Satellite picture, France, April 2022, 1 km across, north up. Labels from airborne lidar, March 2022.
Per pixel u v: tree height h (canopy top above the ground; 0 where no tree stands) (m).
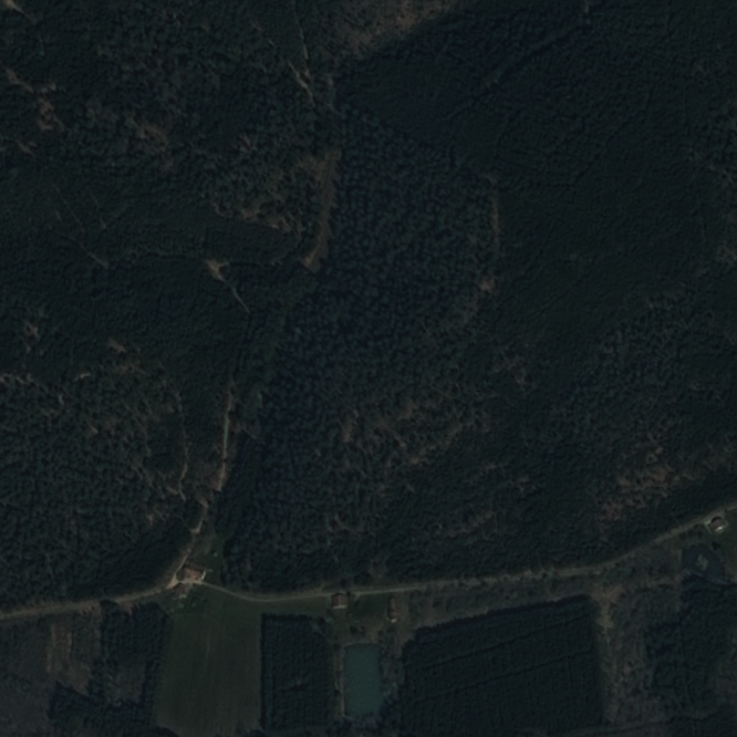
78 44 20
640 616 16
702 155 22
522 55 22
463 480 8
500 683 20
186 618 0
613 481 10
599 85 20
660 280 12
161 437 11
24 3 23
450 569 18
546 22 25
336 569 15
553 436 15
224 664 0
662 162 19
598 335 11
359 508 13
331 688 27
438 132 12
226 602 0
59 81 20
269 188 31
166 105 16
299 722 23
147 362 9
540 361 9
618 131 20
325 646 25
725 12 17
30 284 20
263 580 10
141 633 25
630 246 17
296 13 12
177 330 14
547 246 15
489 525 8
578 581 15
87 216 19
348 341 14
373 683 0
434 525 10
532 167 20
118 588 24
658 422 10
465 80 17
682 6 16
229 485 10
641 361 6
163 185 14
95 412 24
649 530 13
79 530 27
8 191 17
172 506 10
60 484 30
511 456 14
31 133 14
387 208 20
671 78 19
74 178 14
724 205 13
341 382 29
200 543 12
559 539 12
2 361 18
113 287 20
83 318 14
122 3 15
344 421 19
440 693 20
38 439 10
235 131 11
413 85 8
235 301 15
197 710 0
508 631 22
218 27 25
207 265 12
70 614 0
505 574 18
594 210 17
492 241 27
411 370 18
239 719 0
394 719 29
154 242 23
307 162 20
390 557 17
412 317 28
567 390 9
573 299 13
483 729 20
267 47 22
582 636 21
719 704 23
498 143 17
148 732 32
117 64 15
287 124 21
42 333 10
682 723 12
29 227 18
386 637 11
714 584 17
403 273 24
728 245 8
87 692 0
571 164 19
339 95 14
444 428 26
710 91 20
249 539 32
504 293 13
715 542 0
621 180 17
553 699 23
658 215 23
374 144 17
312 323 33
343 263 27
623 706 12
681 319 19
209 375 12
